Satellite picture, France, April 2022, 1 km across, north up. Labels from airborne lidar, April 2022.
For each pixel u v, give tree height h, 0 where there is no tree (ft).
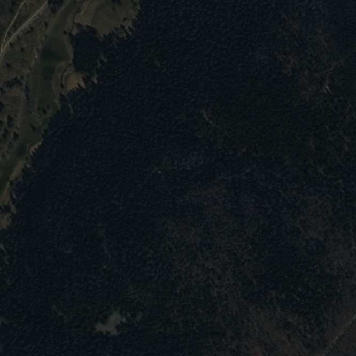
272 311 51
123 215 42
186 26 67
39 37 0
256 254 78
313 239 76
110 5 0
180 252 65
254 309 41
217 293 62
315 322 61
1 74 0
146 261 48
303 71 76
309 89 92
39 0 39
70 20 0
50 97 0
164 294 63
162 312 44
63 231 66
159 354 78
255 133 76
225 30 85
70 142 75
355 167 44
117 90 69
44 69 0
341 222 72
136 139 91
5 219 0
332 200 85
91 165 25
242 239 75
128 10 0
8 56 0
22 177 0
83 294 83
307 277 88
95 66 88
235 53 59
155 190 78
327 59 75
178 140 68
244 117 65
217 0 89
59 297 53
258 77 75
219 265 77
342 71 68
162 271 83
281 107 75
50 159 68
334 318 59
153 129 79
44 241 68
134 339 76
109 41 90
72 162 77
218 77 78
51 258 52
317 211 77
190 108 73
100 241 42
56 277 58
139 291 50
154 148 76
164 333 53
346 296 53
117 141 64
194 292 52
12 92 0
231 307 51
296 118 81
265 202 114
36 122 0
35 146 0
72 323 90
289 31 83
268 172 86
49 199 79
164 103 65
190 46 80
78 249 58
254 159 70
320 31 54
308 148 100
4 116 0
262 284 86
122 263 61
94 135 64
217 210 88
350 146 62
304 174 61
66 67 0
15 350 103
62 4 49
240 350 65
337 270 75
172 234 66
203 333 77
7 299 88
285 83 84
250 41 69
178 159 96
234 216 89
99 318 72
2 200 0
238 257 71
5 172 0
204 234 95
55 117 0
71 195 39
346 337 49
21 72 0
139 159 66
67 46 0
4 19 0
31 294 76
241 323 41
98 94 61
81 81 0
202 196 94
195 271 68
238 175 82
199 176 51
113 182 64
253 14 74
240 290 65
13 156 0
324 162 66
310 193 98
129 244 66
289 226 71
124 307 48
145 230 56
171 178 75
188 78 59
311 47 79
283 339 51
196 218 110
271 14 96
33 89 0
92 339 98
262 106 71
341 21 74
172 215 74
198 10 101
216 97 82
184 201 58
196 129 67
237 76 56
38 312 75
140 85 71
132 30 0
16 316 91
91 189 72
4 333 74
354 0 69
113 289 73
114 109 75
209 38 109
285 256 85
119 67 70
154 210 71
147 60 98
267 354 52
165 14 102
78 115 95
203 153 96
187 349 64
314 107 74
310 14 76
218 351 65
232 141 65
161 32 111
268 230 44
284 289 34
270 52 60
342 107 95
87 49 100
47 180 70
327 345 79
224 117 29
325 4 74
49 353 111
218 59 86
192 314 65
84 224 70
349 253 74
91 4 0
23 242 65
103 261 61
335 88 53
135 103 73
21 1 0
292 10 113
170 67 62
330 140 34
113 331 0
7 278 62
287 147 72
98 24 0
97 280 109
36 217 82
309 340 54
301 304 66
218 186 90
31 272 62
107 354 84
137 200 71
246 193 74
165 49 52
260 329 51
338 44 67
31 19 0
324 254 86
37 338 39
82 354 87
